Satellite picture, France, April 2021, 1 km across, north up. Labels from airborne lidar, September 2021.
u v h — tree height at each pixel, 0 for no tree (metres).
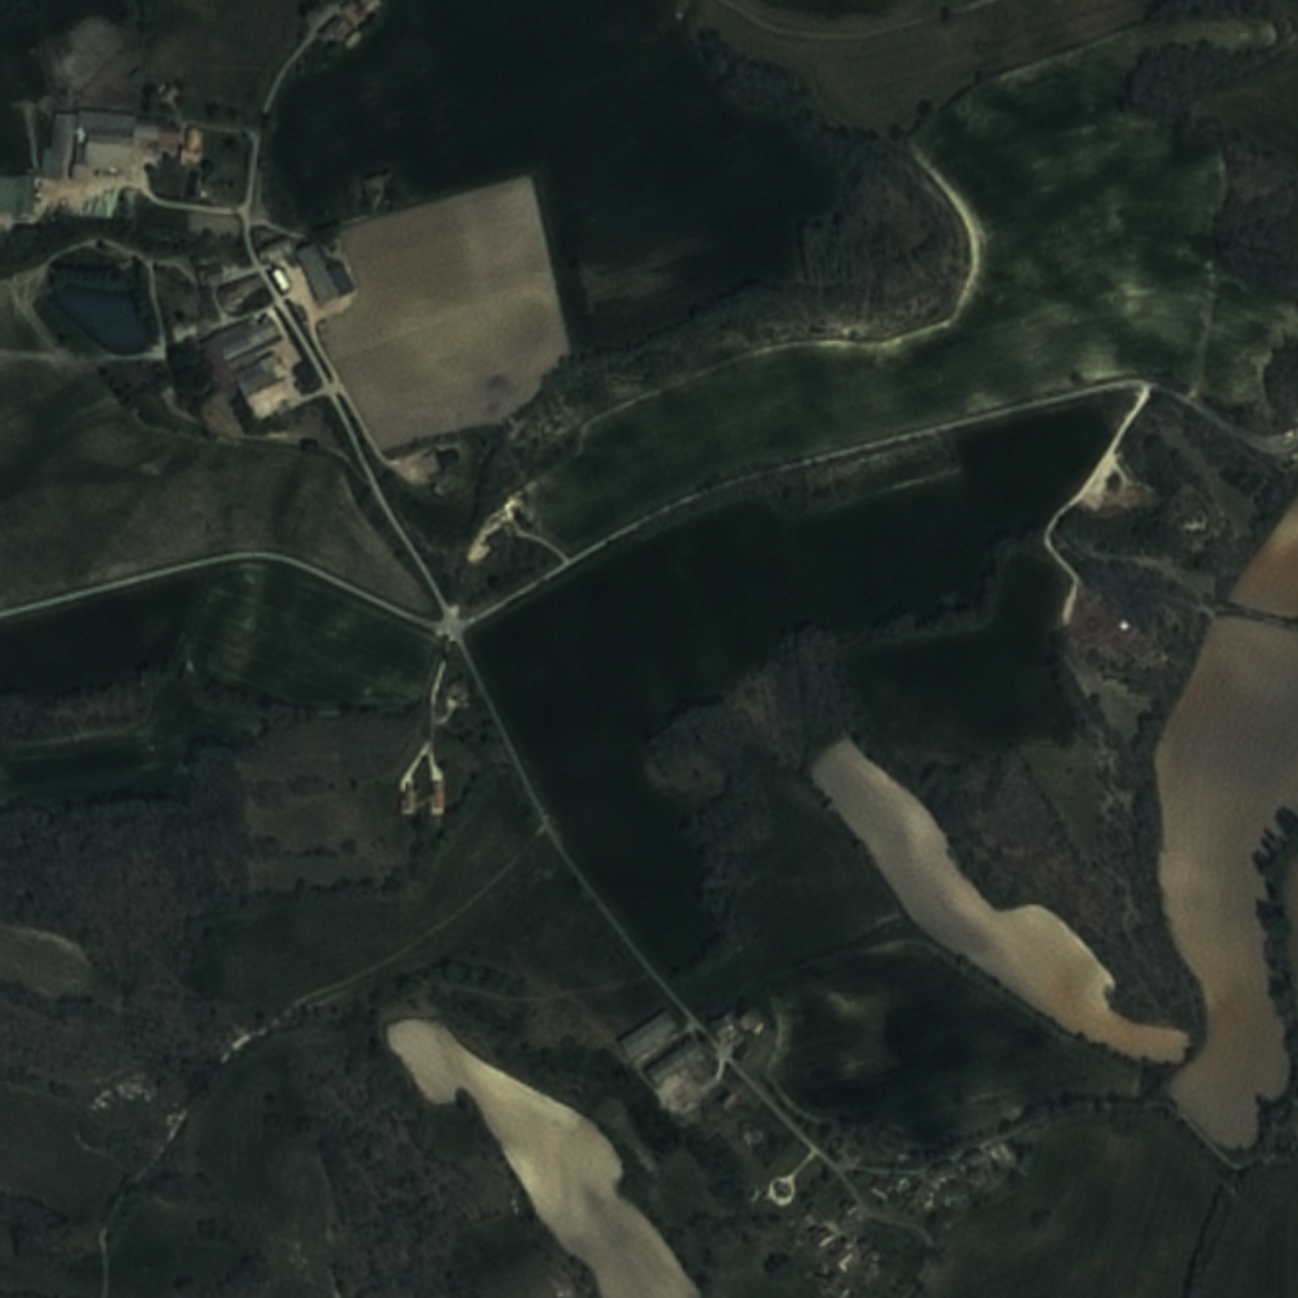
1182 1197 0
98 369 0
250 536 0
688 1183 0
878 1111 0
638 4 0
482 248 0
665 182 0
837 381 0
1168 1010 12
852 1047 0
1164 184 0
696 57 0
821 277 9
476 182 0
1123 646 0
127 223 7
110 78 0
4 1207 17
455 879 0
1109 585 17
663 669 0
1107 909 8
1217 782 0
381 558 0
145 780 0
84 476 0
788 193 0
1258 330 0
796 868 0
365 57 0
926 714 0
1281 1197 0
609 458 0
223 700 15
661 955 0
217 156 0
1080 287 0
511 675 0
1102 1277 0
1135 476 0
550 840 0
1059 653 13
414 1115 14
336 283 0
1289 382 8
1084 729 12
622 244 0
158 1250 0
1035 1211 0
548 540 0
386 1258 11
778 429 0
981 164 0
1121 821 15
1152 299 0
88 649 0
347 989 0
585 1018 0
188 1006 10
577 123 0
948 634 13
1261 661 0
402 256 0
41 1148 0
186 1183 12
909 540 0
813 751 8
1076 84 0
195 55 0
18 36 0
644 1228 0
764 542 0
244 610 0
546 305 0
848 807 0
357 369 0
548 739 0
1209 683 0
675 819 0
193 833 20
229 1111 0
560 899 0
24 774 0
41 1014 10
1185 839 0
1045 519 0
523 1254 0
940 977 0
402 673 0
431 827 11
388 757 0
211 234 6
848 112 0
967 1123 0
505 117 0
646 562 0
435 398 0
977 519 0
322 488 0
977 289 0
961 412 0
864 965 0
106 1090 0
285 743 0
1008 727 0
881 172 17
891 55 0
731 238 0
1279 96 0
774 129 0
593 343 0
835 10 0
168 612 0
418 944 0
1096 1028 0
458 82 0
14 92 0
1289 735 0
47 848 10
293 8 0
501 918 0
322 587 0
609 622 0
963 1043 0
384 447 0
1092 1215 0
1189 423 15
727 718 14
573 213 0
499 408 0
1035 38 0
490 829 0
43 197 0
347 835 0
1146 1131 0
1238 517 0
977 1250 0
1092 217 0
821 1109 0
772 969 0
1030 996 0
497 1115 0
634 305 0
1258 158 10
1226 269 10
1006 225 0
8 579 0
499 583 10
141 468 0
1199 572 12
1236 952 0
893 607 0
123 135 0
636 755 0
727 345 0
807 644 16
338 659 0
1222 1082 0
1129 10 0
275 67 0
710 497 17
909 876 0
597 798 0
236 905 11
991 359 0
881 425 0
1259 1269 0
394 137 0
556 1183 0
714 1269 16
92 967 0
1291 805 0
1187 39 0
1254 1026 0
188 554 0
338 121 0
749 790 16
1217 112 0
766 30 0
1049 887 9
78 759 0
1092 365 0
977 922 0
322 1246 0
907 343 0
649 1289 0
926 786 12
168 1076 10
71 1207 0
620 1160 0
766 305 16
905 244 0
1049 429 0
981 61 0
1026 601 0
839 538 0
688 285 0
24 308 0
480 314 0
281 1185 0
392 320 0
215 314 9
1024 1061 0
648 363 13
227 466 0
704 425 0
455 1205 10
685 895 0
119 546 0
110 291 19
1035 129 0
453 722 12
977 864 10
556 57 0
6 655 0
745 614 0
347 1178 9
